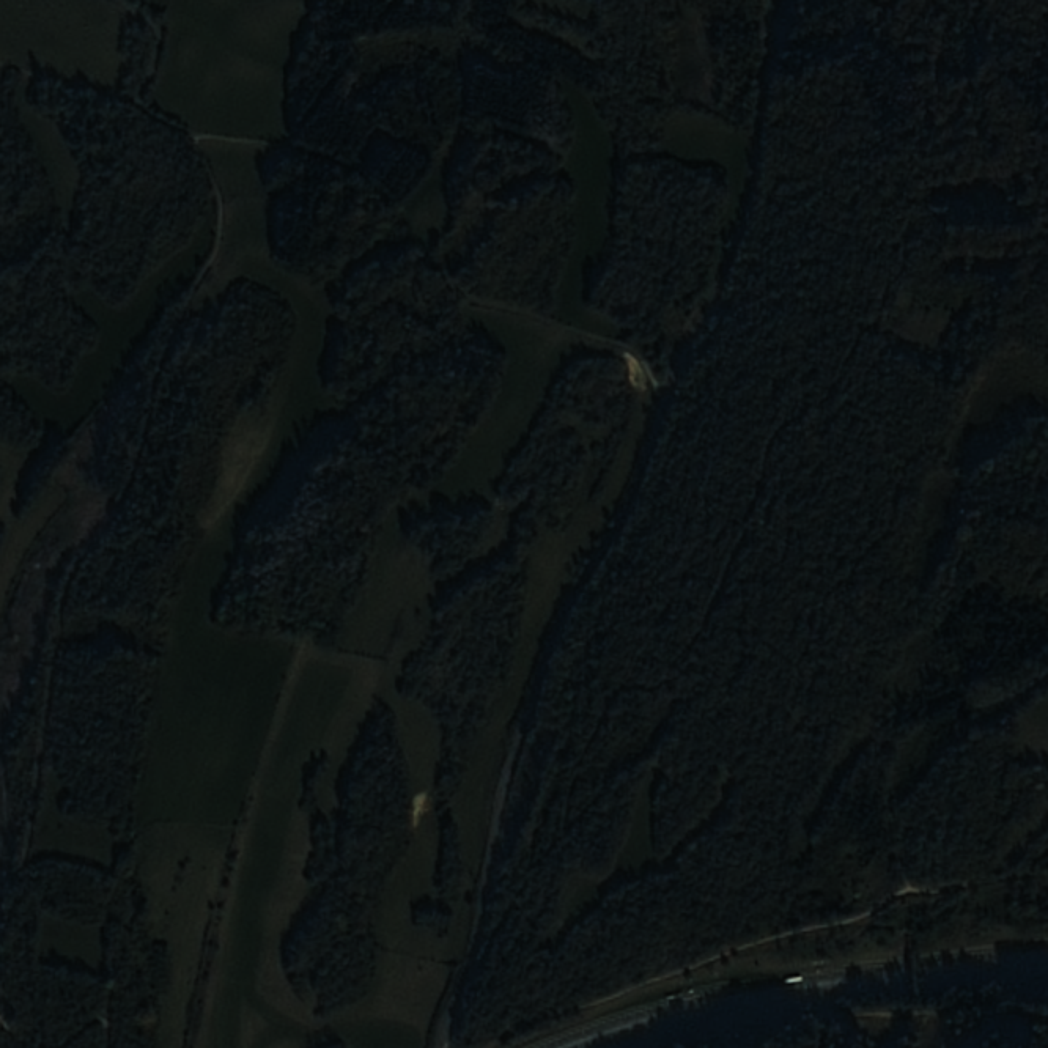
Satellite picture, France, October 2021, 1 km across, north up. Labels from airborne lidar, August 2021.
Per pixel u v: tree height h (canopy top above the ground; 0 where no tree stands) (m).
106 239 6
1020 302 14
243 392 8
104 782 18
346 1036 0
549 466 10
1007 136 29
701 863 9
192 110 0
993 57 25
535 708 10
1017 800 17
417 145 10
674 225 7
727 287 12
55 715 6
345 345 21
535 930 9
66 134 12
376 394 16
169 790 0
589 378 7
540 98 20
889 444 10
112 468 19
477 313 0
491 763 0
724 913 11
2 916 18
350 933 17
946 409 12
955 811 12
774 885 19
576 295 0
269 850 0
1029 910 17
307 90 22
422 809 0
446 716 13
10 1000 17
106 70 0
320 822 9
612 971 7
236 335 10
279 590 7
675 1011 0
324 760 10
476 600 7
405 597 0
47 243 12
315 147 25
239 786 0
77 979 11
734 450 7
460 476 0
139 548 11
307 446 0
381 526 14
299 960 16
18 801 9
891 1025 0
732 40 26
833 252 7
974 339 14
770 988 0
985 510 25
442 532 16
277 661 0
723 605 10
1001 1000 15
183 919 0
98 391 0
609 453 7
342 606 15
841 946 7
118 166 8
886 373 9
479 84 26
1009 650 12
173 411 11
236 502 0
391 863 13
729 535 8
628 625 7
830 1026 26
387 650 0
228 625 14
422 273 26
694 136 0
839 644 15
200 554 0
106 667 18
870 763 17
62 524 0
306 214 20
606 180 0
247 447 0
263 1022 0
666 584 6
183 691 0
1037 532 23
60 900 7
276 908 0
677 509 8
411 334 13
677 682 10
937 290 9
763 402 9
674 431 9
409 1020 0
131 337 0
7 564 0
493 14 16
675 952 7
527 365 0
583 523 0
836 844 20
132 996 13
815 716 12
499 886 8
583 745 8
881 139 18
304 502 22
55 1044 11
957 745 15
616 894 11
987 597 8
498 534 0
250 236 0
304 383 0
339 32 12
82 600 10
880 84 29
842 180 12
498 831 0
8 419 16
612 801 12
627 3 7
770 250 10
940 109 23
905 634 20
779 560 10
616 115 10
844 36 16
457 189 14
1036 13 31
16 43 0
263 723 0
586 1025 0
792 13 12
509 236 14
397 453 18
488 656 9
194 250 0
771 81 28
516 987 6
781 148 10
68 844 0
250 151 0
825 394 8
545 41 14
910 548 13
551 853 8
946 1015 14
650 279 8
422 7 15
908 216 7
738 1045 22
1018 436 20
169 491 17
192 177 13
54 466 20
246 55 0
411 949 0
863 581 13
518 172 15
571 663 7
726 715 6
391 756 15
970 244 26
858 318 10
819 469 10
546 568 0
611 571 15
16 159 8
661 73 14
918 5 23
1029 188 19
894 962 0
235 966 0
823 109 25
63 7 0
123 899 8
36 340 12
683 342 0
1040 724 0
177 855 0
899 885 7
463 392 21
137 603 17
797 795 14
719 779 11
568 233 20
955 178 27
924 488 20
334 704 0
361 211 23
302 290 0
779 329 10
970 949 0
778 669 12
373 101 14
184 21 0
